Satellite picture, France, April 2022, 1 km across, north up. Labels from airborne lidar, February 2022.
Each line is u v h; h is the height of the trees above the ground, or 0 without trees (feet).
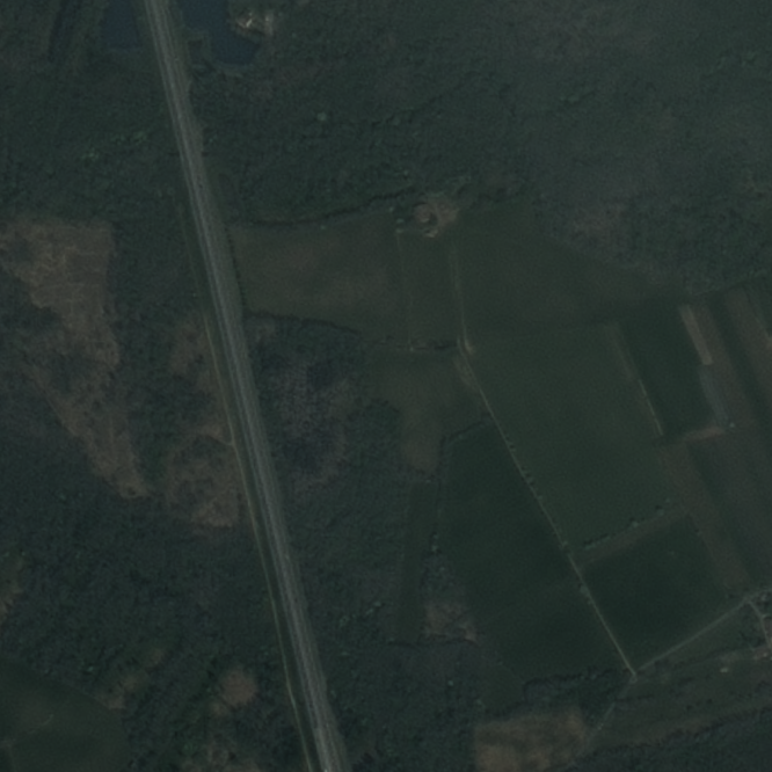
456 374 0
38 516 70
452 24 62
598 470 0
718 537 0
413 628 0
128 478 0
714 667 0
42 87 70
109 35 0
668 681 0
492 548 0
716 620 0
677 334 0
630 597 0
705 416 0
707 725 0
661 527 0
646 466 0
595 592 0
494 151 74
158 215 81
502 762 0
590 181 0
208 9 0
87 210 74
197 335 0
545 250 0
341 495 89
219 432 0
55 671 71
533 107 71
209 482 0
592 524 0
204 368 73
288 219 0
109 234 0
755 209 72
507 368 0
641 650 0
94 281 0
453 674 67
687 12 0
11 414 65
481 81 67
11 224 0
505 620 0
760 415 0
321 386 70
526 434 0
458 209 0
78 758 0
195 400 43
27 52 76
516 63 61
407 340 0
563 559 0
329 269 0
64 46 73
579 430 0
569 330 0
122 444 0
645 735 0
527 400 0
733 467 0
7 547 73
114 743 0
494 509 0
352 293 0
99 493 57
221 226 0
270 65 33
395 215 30
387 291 0
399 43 63
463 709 73
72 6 65
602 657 0
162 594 66
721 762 49
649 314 0
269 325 80
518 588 0
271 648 44
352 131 70
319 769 0
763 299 0
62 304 0
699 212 56
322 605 70
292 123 70
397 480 63
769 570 0
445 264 0
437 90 72
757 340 0
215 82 75
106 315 0
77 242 0
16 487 81
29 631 75
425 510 0
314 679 0
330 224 57
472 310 0
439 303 0
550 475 0
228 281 0
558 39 64
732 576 0
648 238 81
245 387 0
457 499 0
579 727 0
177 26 53
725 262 88
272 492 0
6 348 76
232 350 0
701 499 0
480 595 0
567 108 48
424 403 0
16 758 0
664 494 0
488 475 0
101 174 54
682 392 0
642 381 0
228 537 0
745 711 0
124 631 83
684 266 63
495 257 0
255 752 24
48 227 0
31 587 27
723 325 0
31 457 74
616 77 80
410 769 73
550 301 0
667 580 0
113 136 53
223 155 59
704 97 58
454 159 64
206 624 91
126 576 72
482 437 0
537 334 0
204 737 0
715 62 45
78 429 0
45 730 0
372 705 70
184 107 0
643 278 0
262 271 0
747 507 0
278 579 0
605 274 0
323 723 0
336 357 81
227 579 69
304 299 0
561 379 0
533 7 69
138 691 0
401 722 88
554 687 67
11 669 0
